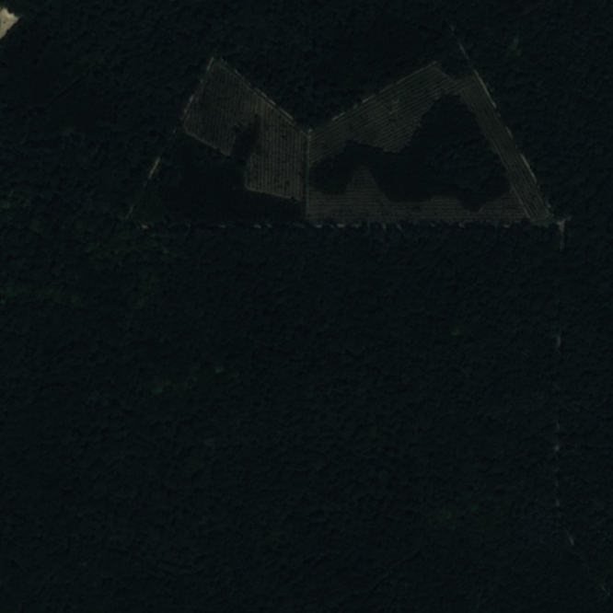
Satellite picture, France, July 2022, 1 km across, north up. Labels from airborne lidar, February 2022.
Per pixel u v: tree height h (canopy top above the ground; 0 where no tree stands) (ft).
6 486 56
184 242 69
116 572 60
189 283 56
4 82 28
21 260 76
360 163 27
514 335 39
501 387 57
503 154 0
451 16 50
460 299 65
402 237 60
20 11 56
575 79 65
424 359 61
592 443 63
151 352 64
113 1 22
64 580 46
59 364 69
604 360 54
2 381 61
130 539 34
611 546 64
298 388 51
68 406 67
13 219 39
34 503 71
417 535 70
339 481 54
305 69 74
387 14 35
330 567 79
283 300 73
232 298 78
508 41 53
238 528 28
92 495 63
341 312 63
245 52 42
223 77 0
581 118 70
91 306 65
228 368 61
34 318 57
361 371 68
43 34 20
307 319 81
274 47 55
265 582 56
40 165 63
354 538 54
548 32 62
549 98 52
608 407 59
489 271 50
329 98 64
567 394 50
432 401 61
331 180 29
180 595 58
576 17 46
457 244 66
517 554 52
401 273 60
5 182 52
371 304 60
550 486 51
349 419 65
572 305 52
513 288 58
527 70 60
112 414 60
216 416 52
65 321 76
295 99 27
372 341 69
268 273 70
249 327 58
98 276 60
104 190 84
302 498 52
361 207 0
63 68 22
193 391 52
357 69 33
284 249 71
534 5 71
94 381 60
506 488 49
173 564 52
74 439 54
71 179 73
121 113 56
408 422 63
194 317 60
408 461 52
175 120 76
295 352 62
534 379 58
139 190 80
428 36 36
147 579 45
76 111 27
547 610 64
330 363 72
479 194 27
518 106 70
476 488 49
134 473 69
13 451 65
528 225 64
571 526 56
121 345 75
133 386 26
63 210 78
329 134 0
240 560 53
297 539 56
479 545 52
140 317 73
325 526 73
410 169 30
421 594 55
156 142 72
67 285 67
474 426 64
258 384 61
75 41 63
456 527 58
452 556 66
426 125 24
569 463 65
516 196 0
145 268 73
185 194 25
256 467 52
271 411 37
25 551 71
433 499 63
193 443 26
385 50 30
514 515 59
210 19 63
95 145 76
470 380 59
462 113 31
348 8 60
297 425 52
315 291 85
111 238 67
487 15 55
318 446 46
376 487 52
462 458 52
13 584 73
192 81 65
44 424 67
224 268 63
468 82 0
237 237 58
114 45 47
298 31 90
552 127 45
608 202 73
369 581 68
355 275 65
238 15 79
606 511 26
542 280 68
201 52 74
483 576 54
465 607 60
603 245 59
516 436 66
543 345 53
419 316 71
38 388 65
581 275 44
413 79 0
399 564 56
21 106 31
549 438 57
